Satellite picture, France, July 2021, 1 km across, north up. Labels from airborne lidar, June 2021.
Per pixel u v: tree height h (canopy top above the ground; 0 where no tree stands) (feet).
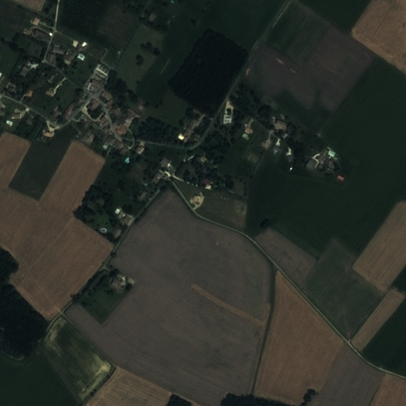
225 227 0
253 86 0
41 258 0
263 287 0
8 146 0
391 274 0
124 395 0
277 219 0
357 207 0
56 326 0
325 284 0
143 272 0
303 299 0
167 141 56
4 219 0
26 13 0
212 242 0
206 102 85
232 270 0
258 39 0
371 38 0
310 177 0
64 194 0
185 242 0
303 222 0
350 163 0
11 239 0
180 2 41
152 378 0
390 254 0
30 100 27
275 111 0
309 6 0
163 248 0
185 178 42
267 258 0
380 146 0
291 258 0
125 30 0
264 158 0
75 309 0
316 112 0
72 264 0
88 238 0
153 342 0
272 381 0
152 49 83
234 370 0
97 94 0
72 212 0
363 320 0
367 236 0
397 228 0
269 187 0
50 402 0
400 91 0
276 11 0
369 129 0
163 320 0
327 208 0
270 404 58
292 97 0
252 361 0
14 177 0
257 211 0
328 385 0
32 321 86
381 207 0
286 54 0
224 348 0
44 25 0
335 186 0
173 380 0
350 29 0
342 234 0
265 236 0
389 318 0
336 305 0
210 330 0
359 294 0
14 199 0
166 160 0
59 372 0
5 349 53
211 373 0
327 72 0
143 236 0
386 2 0
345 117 0
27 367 0
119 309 0
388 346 0
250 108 88
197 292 0
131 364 0
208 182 0
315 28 0
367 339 0
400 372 0
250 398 71
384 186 0
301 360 0
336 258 0
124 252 0
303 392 0
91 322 0
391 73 0
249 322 0
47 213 0
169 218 0
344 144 0
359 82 0
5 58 0
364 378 0
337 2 0
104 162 0
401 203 0
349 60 0
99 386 0
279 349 0
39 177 0
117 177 0
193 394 0
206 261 0
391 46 0
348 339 0
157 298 0
